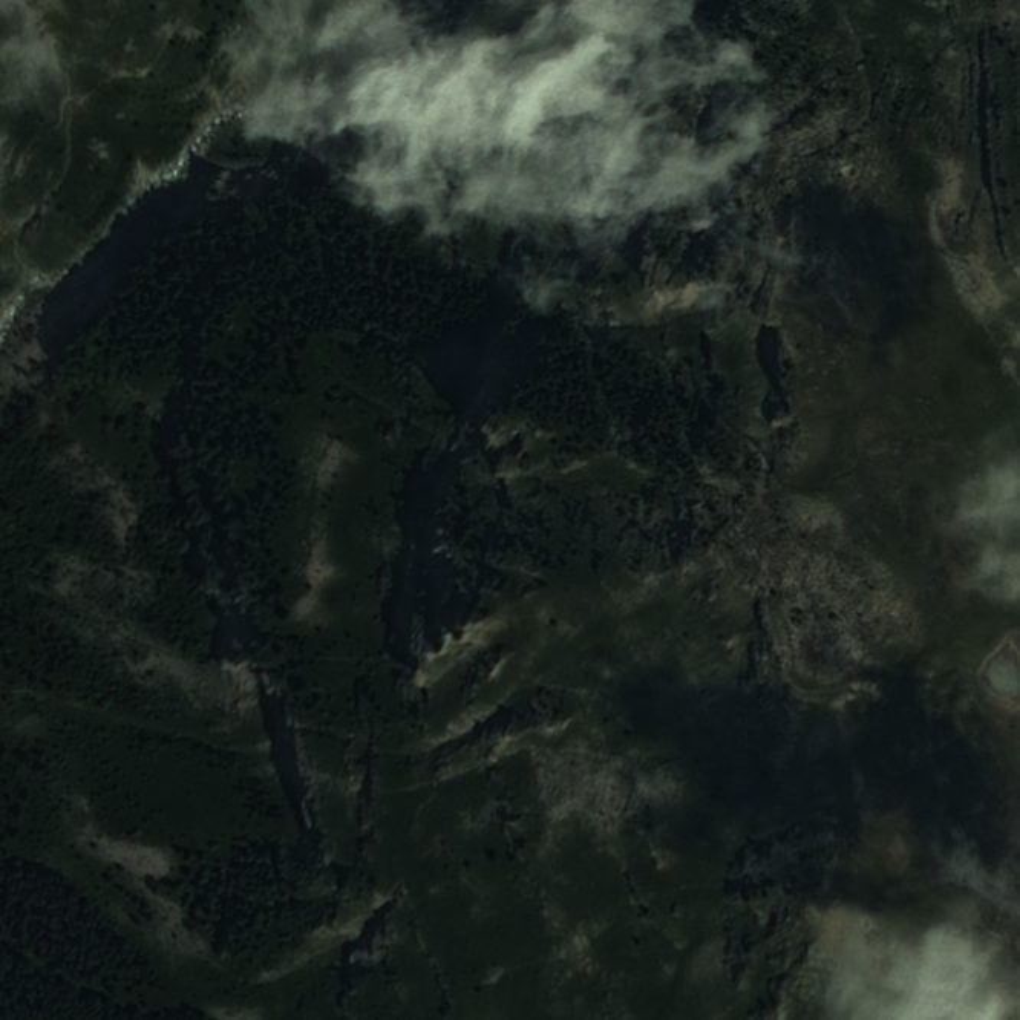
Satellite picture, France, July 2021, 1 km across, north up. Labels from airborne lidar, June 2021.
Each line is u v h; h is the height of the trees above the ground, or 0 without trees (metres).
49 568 11
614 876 0
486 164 12
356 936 0
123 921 0
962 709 0
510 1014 0
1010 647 0
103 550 7
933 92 0
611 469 0
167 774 0
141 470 6
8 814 5
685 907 0
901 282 0
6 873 28
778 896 0
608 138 9
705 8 19
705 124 0
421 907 0
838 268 0
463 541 6
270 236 7
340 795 0
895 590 0
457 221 12
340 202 9
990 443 0
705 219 0
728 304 0
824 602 0
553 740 0
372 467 0
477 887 0
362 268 11
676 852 0
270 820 7
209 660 7
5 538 7
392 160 16
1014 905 0
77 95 0
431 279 17
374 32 0
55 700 0
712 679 0
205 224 6
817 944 0
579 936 0
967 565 0
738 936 0
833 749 0
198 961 0
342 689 0
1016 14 0
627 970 0
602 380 7
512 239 9
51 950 23
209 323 13
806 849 0
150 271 8
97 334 14
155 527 12
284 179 12
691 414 18
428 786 0
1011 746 0
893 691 0
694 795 0
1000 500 0
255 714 0
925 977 0
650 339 0
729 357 0
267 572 12
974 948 0
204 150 0
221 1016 0
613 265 0
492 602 0
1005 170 0
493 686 0
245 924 12
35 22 0
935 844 0
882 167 0
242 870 14
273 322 9
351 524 0
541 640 0
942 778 0
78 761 0
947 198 0
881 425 0
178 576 9
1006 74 0
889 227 0
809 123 0
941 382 0
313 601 0
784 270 0
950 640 0
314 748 0
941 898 0
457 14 8
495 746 0
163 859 0
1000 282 0
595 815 0
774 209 7
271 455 15
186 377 7
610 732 0
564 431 0
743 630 0
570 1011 0
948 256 0
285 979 0
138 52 0
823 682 0
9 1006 29
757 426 0
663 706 0
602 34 9
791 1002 0
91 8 0
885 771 0
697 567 0
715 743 0
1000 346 0
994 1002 0
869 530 0
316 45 6
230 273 15
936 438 0
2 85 0
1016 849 0
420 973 0
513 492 0
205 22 0
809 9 0
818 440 0
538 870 0
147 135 0
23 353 0
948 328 0
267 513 16
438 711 0
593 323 0
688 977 0
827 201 0
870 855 0
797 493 0
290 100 0
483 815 0
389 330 15
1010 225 0
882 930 0
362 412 6
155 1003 0
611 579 0
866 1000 0
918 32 0
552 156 13
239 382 13
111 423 11
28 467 7
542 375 15
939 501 0
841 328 0
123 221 0
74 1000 22
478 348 0
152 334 20
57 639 18
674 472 6
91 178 0
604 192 18
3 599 8
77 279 0
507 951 0
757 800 0
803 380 0
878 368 0
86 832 0
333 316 17
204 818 0
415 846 0
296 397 9
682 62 10
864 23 0
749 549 0
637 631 0
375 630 0
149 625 7
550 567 7
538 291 0
